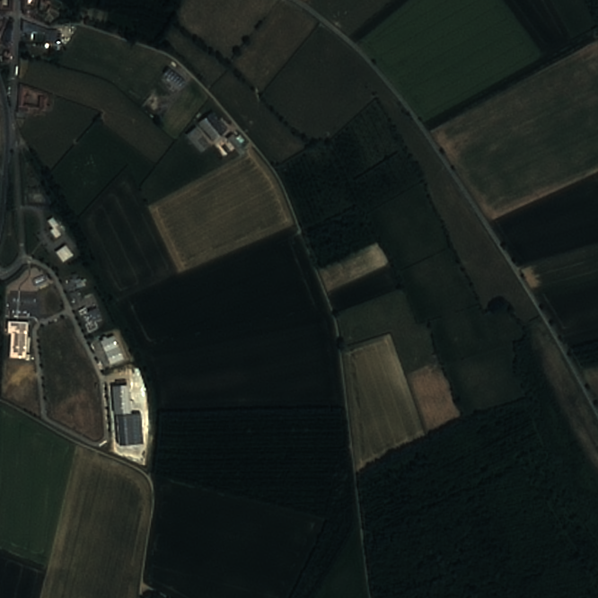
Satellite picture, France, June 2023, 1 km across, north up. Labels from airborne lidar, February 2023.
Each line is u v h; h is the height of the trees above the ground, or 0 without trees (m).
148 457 0
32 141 0
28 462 0
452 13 0
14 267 0
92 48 0
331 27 0
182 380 0
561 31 0
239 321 0
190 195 0
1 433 0
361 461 0
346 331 0
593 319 0
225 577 0
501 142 0
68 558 0
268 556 0
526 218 0
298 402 0
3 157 0
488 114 0
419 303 0
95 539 0
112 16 0
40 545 0
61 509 0
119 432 0
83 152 0
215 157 0
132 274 0
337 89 0
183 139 0
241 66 0
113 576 0
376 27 0
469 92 0
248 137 0
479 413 8
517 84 0
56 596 0
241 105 0
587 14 0
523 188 0
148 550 0
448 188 0
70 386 0
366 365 0
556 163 0
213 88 0
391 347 0
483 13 0
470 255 0
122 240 0
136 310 0
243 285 0
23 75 0
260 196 0
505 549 10
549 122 0
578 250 0
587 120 0
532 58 0
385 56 0
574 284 0
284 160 0
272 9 0
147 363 0
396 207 0
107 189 0
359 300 0
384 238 0
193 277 0
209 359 0
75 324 0
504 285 0
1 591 0
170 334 0
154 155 0
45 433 0
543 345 0
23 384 0
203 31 0
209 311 0
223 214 0
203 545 0
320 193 7
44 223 0
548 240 0
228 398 0
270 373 0
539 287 0
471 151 0
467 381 0
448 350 0
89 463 0
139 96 0
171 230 0
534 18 0
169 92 0
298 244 0
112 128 0
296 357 0
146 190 0
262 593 0
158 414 7
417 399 0
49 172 10
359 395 0
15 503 0
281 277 0
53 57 8
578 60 0
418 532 12
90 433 0
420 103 0
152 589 0
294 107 0
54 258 0
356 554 0
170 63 0
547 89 0
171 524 0
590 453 0
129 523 0
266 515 0
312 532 0
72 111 0
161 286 0
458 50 0
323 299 0
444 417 0
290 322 0
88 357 0
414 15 0
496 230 0
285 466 9
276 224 0
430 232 0
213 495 0
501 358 0
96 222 0
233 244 0
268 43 0
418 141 0
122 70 0
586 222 0
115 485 0
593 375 0
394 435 0
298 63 0
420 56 0
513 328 0
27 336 6
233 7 0
